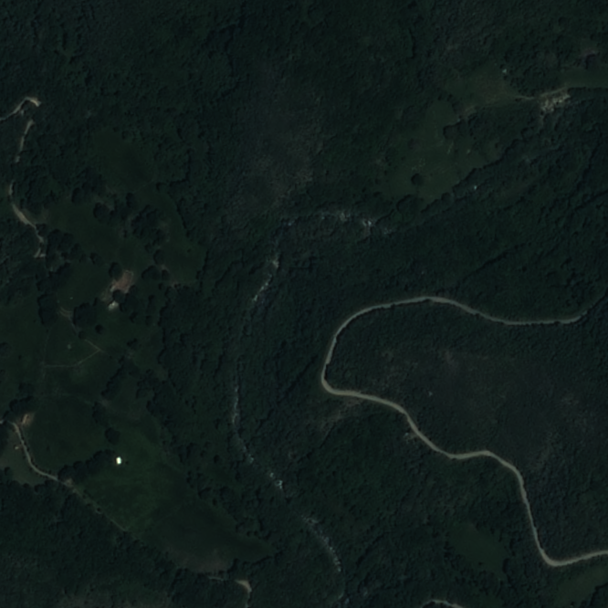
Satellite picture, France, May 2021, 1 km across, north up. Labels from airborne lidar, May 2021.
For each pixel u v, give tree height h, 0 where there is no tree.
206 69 7
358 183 17
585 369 6
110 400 12
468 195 16
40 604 10
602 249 16
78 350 0
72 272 18
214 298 11
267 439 17
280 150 6
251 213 6
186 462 18
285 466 12
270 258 13
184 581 25
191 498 0
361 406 8
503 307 19
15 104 8
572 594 0
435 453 12
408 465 14
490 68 0
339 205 12
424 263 17
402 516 18
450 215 14
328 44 16
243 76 18
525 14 7
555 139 13
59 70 26
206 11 6
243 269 21
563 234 12
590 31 6
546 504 11
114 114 18
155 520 0
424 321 7
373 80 13
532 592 10
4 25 23
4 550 13
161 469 0
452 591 21
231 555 0
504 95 0
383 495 8
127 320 0
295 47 6
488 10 13
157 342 0
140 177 0
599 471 9
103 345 0
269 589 18
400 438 11
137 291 14
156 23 16
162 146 17
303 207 21
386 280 14
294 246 11
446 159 0
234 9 10
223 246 20
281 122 6
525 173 9
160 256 21
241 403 15
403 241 19
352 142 13
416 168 0
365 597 8
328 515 11
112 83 24
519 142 21
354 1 17
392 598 12
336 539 15
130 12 12
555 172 18
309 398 9
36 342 0
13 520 14
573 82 0
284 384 13
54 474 8
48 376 0
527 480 11
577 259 14
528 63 12
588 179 18
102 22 11
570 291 11
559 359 8
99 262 24
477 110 7
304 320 16
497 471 15
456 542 0
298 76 12
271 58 10
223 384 8
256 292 14
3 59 22
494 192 13
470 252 20
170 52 8
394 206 17
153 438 0
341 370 6
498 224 14
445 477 12
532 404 6
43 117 16
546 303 17
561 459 6
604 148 20
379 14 16
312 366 14
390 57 20
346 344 7
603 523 15
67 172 28
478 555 0
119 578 15
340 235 13
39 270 22
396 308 15
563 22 16
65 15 22
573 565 9
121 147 0
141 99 18
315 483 13
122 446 0
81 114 17
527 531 12
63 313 0
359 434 11
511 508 14
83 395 0
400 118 20
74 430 0
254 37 21
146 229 20
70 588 15
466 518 19
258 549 0
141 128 20
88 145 10
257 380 13
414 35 21
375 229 16
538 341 10
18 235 7
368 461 17
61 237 16
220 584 14
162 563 23
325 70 13
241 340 13
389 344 7
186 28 22
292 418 7
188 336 26
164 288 16
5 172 15
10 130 12
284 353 15
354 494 11
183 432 22
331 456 9
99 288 0
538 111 9
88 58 19
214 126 20
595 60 18
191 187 26
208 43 15
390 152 20
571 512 14
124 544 16
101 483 0
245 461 11
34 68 19
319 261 22
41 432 0
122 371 16
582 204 6
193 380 24
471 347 5
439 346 10
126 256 0
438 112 0
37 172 24
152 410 19
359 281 10
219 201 17
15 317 0
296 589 20
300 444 11
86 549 20
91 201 20
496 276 21
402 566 12
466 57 14
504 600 18
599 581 0
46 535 17
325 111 7
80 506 22
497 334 11
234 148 11
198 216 19
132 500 0
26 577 12
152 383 20
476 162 0
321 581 15
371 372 7
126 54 14
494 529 17
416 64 14
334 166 15
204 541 0
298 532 24
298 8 12
